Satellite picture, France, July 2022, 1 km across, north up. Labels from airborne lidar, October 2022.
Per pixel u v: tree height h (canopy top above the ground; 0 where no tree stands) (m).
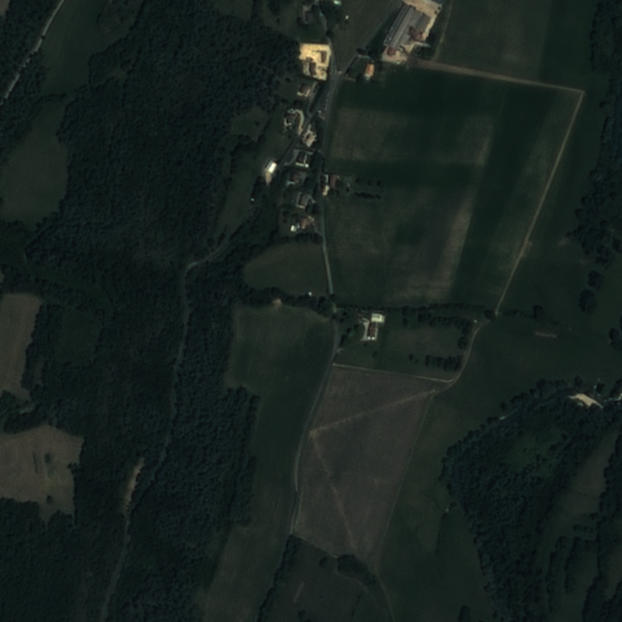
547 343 0
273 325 0
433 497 0
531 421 16
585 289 0
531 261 0
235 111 22
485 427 11
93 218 20
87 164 14
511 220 0
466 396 0
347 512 0
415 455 0
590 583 0
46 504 0
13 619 12
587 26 0
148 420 21
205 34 12
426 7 0
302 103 10
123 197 18
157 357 13
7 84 18
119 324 15
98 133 13
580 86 0
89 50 0
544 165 0
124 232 11
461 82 0
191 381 17
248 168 0
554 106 0
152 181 13
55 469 0
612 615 22
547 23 0
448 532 0
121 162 20
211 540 19
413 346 0
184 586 25
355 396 0
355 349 0
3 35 18
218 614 0
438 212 0
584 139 0
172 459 21
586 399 0
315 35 0
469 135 0
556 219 0
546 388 26
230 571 0
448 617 0
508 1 0
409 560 0
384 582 0
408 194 0
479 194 0
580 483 0
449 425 0
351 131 0
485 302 0
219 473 25
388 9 0
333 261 0
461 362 14
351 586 0
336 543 0
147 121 16
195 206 16
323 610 0
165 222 14
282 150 0
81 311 14
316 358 0
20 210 0
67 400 16
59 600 10
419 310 8
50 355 15
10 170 0
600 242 14
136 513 16
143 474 11
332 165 0
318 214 13
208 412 18
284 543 0
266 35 8
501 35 0
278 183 14
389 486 0
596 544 14
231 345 13
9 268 16
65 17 0
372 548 0
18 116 7
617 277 0
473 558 0
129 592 10
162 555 19
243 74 11
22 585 12
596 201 13
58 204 0
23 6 21
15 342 0
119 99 15
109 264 20
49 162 0
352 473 0
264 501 0
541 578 22
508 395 0
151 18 12
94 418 17
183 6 16
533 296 0
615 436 0
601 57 8
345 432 0
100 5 0
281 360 0
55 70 0
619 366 0
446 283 0
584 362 0
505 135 0
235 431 21
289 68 14
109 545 12
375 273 0
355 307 7
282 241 16
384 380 0
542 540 7
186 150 15
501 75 0
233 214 0
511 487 13
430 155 0
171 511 26
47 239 23
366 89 0
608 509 15
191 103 9
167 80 9
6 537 7
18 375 0
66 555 12
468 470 10
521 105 0
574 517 0
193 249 10
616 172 9
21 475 0
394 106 0
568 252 0
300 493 0
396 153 0
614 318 0
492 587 12
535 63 0
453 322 16
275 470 0
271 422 0
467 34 0
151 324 9
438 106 0
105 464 17
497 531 9
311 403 0
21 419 13
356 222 0
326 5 16
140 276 17
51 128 0
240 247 15
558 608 9
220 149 21
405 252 0
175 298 13
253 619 0
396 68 0
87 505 19
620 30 6
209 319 17
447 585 0
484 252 0
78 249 18
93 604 13
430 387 0
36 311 0
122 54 9
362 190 0
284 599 0
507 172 0
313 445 0
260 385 0
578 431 11
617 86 12
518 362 0
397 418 0
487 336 0
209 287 21
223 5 0
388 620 0
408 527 0
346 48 0
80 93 10
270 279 0
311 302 22
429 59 0
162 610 25
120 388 14
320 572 0
